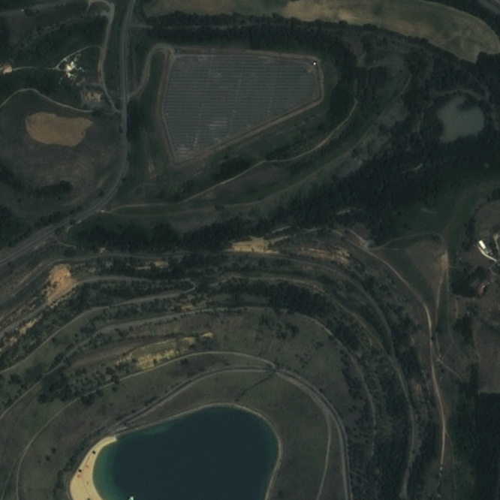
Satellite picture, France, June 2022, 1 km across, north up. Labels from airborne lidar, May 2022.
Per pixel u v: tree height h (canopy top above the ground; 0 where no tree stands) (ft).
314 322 0
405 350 30
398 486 41
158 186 0
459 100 0
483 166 47
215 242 26
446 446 0
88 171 0
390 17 0
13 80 18
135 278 42
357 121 23
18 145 0
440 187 45
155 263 35
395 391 53
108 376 0
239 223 59
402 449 34
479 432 57
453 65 37
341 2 0
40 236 0
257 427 0
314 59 0
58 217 46
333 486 0
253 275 0
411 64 34
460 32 0
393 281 30
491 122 61
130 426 0
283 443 0
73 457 0
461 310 0
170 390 0
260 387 0
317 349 0
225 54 0
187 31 53
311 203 55
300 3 0
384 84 26
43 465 0
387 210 56
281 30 35
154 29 28
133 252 46
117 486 0
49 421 0
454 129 0
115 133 0
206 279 27
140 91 0
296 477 0
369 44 40
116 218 0
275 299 38
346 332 31
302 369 0
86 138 0
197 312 0
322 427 0
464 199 0
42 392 19
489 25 29
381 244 51
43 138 0
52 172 0
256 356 0
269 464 0
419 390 0
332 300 60
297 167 27
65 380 27
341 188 53
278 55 0
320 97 0
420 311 0
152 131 0
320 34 52
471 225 28
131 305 54
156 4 0
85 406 0
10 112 0
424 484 45
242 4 0
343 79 29
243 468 0
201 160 0
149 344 0
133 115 47
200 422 0
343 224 58
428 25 0
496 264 20
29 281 0
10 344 40
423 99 28
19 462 0
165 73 0
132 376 0
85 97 0
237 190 0
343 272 0
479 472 36
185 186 24
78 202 0
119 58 25
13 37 0
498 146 52
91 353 0
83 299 67
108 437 0
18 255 0
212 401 0
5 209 62
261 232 44
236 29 38
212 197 0
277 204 26
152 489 0
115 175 0
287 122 0
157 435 0
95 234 49
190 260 63
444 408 0
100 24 30
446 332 0
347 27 35
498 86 84
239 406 0
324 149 21
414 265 0
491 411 36
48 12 0
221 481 0
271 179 0
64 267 0
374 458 64
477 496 30
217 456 0
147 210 0
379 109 25
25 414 0
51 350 0
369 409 49
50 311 53
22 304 0
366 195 75
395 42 35
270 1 0
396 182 41
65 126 0
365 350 36
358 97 28
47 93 28
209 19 72
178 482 0
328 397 0
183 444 0
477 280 31
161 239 61
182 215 0
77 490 0
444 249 0
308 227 31
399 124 70
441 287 0
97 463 0
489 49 0
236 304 31
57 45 35
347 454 0
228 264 45
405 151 40
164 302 52
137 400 0
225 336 0
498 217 0
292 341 0
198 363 0
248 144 0
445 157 46
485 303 0
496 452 75
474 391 43
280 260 35
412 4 0
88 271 34
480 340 0
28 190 19
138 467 0
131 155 28
